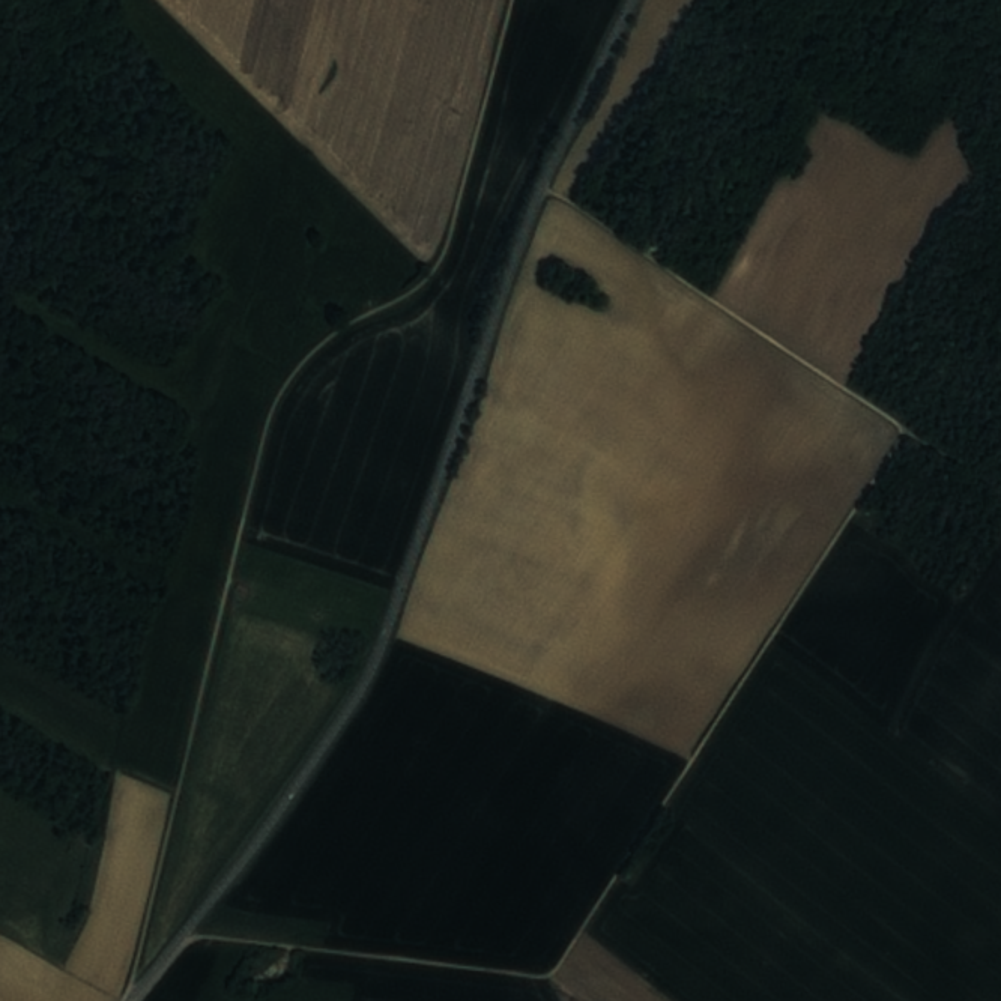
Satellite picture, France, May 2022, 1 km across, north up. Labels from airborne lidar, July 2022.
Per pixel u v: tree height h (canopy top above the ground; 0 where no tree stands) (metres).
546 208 0
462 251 0
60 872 0
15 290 18
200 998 0
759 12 21
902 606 0
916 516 12
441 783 0
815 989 0
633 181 7
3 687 0
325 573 0
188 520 19
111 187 30
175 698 0
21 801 16
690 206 16
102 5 19
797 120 18
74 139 10
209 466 0
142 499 23
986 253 23
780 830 0
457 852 0
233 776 0
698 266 16
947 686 0
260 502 0
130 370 0
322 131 0
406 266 0
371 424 0
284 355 0
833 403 0
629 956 0
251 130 0
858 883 0
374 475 0
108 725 0
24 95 28
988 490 18
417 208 0
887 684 0
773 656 0
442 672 0
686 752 0
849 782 0
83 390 22
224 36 0
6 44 27
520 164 0
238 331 0
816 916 0
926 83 23
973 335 14
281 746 0
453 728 0
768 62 15
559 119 0
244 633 0
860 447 0
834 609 0
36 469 27
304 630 0
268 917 0
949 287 21
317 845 0
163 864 0
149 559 14
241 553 0
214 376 0
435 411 0
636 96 7
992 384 12
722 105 8
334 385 0
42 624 26
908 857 0
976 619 0
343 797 0
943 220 20
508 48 0
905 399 13
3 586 22
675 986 0
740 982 0
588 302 8
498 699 0
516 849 0
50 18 27
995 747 0
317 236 18
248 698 0
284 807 0
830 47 21
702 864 0
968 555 8
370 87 0
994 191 18
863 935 0
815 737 0
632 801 0
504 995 0
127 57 30
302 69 0
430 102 0
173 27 0
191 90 0
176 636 0
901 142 14
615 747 0
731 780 0
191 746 0
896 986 0
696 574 0
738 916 0
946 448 14
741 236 15
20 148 26
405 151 0
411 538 0
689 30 19
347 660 23
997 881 0
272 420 0
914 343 13
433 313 0
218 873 0
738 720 0
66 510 26
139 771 0
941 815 0
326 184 0
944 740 0
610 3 0
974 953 0
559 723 0
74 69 21
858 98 20
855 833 0
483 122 0
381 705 0
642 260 0
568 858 0
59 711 0
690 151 18
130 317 18
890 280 0
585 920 0
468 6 0
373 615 0
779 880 0
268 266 0
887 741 0
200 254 0
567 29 0
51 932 0
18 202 9
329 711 0
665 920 0
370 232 0
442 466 0
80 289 29
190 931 0
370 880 0
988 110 22
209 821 0
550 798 0
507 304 0
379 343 0
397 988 0
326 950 0
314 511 0
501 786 0
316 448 0
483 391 11
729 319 0
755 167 12
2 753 18
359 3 0
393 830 0
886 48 25
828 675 0
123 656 21
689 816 0
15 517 22
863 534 0
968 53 23
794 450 0
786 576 0
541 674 0
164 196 22
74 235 28
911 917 0
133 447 24
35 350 29
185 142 26
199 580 0
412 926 0
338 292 0
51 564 15
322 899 0
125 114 30
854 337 0
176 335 19
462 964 0
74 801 22
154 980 0
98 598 22
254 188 0
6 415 32
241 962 7
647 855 8
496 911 0
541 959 0
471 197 0
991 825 0
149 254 26
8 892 0
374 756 0
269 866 0
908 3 25
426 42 0
